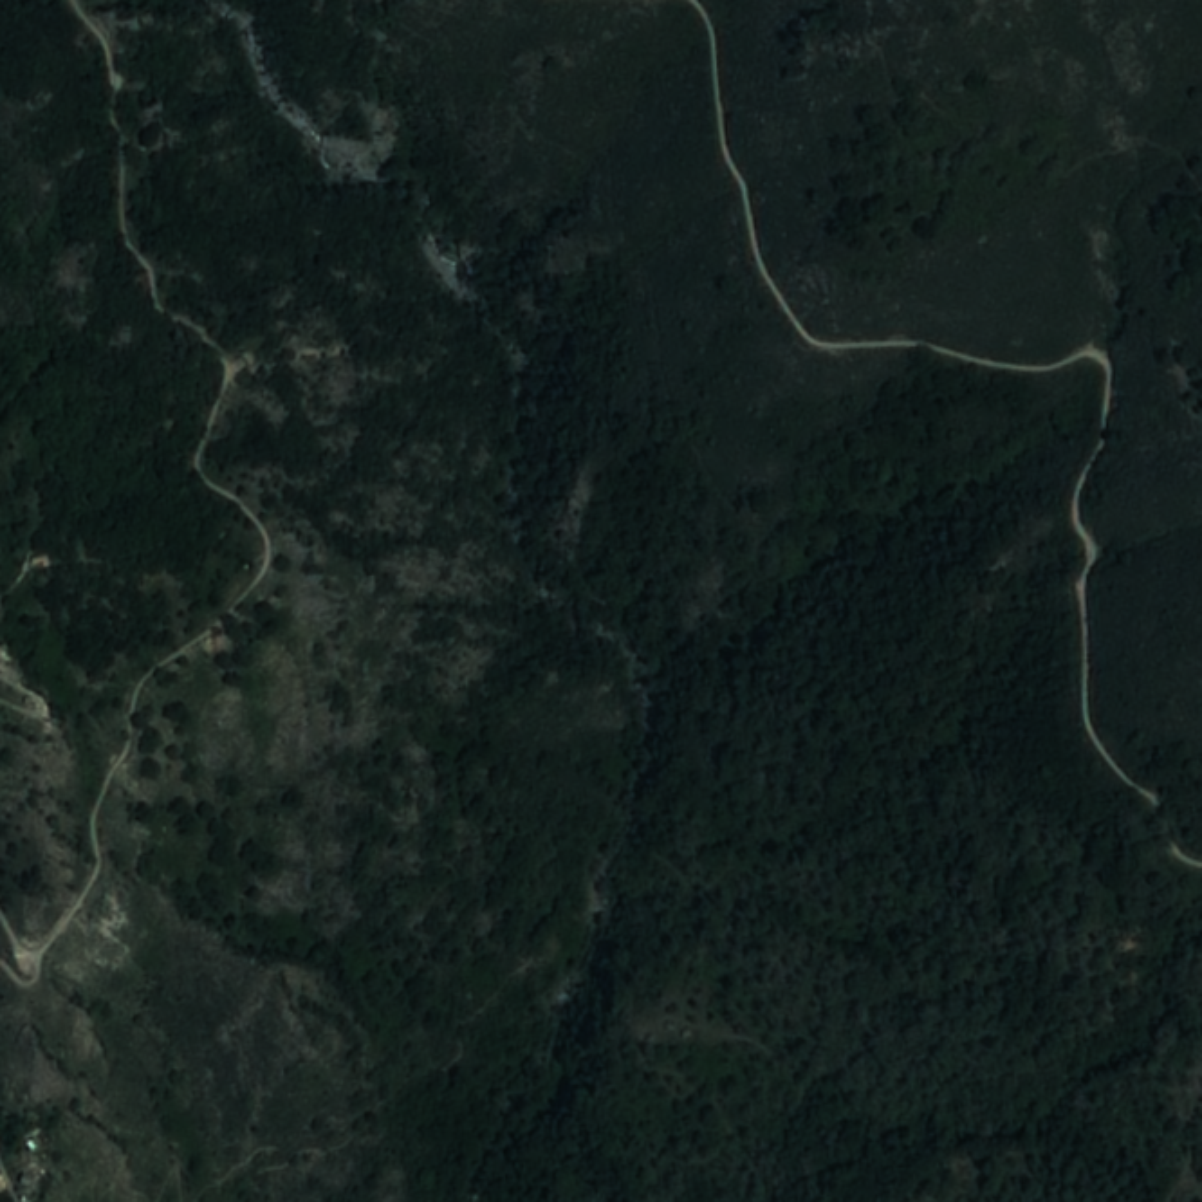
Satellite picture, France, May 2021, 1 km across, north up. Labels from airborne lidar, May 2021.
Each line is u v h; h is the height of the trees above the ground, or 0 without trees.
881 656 10
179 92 29
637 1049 11
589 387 14
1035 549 9
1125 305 19
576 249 0
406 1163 9
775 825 12
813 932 12
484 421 9
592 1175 17
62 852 0
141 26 6
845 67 11
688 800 9
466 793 12
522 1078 18
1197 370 8
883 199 15
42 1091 0
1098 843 24
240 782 10
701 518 20
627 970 5
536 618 20
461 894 15
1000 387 14
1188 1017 21
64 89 13
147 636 14
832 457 9
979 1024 24
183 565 15
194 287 17
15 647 15
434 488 9
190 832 22
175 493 15
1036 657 7
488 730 14
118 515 20
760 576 6
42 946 0
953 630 7
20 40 13
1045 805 11
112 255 15
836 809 18
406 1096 8
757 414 8
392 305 10
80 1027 0
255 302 11
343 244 12
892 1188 15
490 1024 6
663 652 16
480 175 8
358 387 10
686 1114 14
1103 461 7
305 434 15
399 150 9
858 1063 20
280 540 0
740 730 9
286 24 16
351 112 16
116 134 11
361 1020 12
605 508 18
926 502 19
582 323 16
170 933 0
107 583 12
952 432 9
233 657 11
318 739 0
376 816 16
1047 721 10
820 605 13
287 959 17
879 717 11
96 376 11
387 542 14
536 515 12
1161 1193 11
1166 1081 18
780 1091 8
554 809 16
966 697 16
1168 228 16
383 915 24
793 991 11
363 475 12
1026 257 0
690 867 22
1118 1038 8
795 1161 7
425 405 11
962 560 9
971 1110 16
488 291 19
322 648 11
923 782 13
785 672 8
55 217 12
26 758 0
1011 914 17
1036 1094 7
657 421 13
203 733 0
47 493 16
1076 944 17
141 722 16
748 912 22
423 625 14
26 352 16
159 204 21
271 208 13
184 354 7
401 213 13
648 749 16
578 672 12
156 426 12
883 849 9
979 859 19
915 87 8
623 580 22
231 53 14
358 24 9
